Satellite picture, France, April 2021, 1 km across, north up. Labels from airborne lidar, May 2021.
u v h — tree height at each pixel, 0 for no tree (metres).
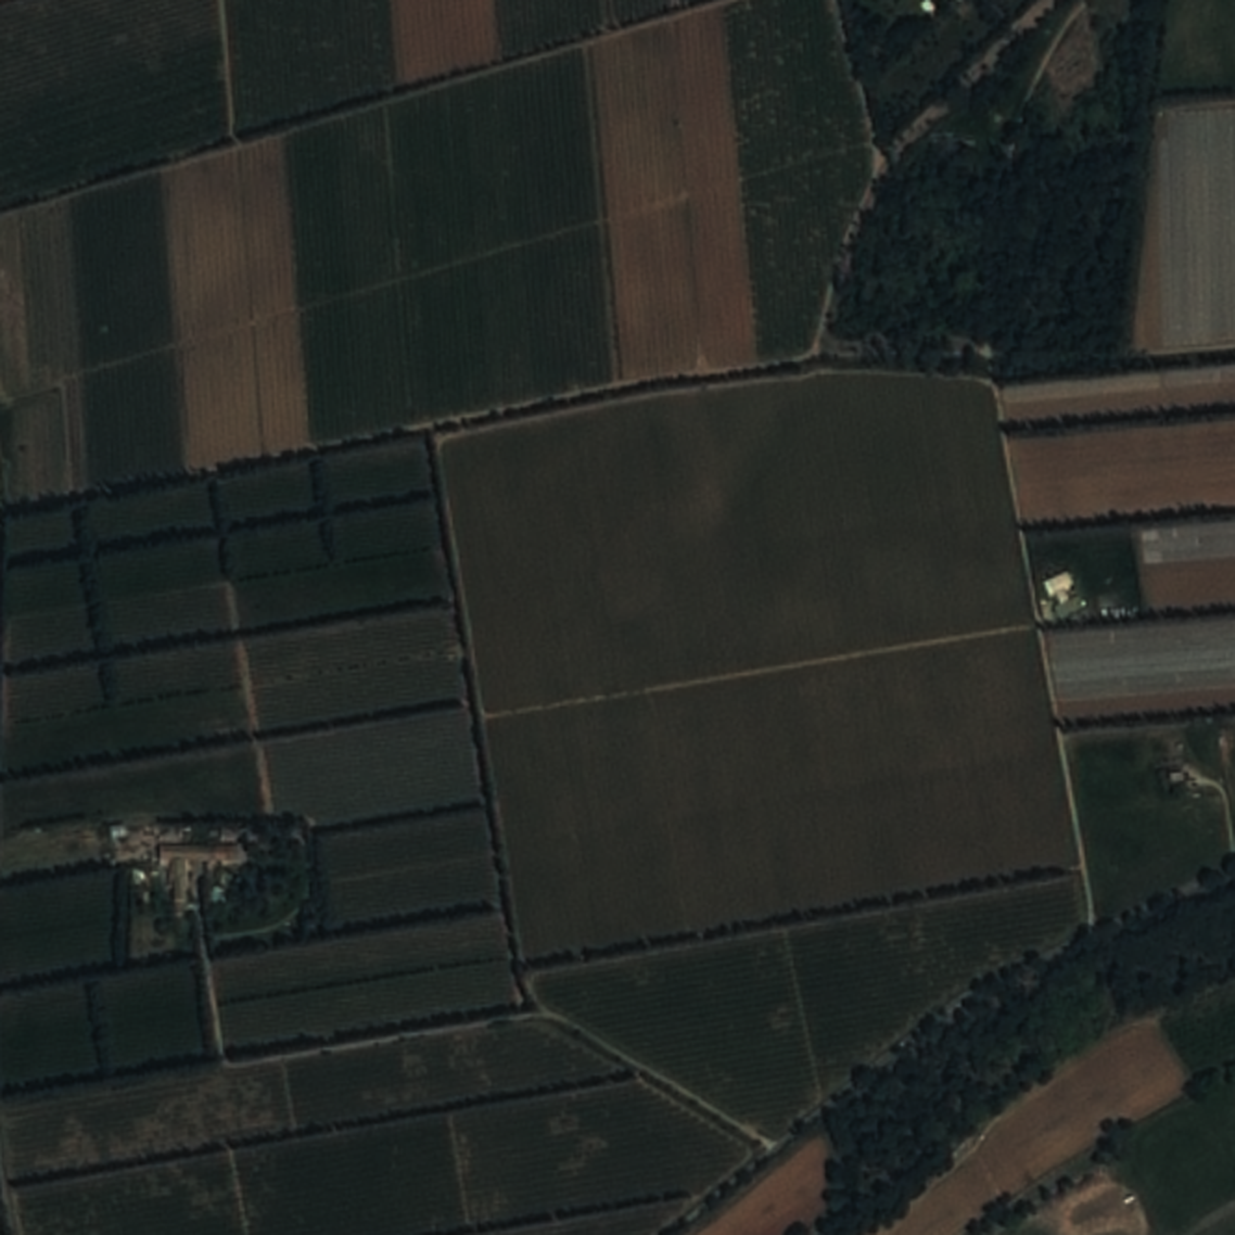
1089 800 0
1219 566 0
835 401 0
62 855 0
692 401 0
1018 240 17
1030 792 0
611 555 0
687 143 0
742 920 0
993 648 0
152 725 0
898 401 0
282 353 0
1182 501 0
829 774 0
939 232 19
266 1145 13
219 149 11
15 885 12
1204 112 0
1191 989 14
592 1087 11
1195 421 9
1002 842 0
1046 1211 0
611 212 0
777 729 0
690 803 0
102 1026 11
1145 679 0
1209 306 0
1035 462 0
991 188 14
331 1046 9
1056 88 0
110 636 11
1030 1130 0
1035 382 13
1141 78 12
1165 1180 0
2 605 17
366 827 11
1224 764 0
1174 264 0
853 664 0
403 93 10
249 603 0
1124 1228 0
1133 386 0
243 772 0
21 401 0
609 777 0
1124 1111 0
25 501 0
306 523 14
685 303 0
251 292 0
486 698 0
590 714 0
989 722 0
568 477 0
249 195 0
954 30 0
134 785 0
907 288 17
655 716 0
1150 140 12
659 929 0
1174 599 0
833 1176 13
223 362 0
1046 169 14
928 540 0
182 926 9
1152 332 0
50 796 0
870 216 10
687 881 0
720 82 0
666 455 0
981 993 14
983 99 11
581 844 0
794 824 0
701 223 0
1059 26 0
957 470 0
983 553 0
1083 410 0
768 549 0
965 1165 0
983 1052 13
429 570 0
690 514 0
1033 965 13
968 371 12
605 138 0
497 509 0
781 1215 0
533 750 0
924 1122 16
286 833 17
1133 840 0
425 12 0
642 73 0
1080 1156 0
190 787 0
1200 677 0
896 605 0
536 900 0
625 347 0
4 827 0
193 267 0
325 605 0
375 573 0
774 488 0
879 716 0
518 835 0
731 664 0
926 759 0
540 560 0
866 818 0
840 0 15
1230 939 13
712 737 0
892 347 8
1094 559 0
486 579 0
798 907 0
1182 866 0
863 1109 14
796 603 0
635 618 0
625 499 0
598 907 0
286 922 0
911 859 0
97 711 7
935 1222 0
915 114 9
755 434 0
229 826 15
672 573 0
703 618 0
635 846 0
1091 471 0
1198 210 0
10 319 0
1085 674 0
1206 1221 0
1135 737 0
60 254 0
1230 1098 0
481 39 0
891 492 0
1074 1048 12
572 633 0
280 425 0
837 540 0
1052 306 11
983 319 12
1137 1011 17
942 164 6
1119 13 0
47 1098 7
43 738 0
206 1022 12
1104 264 11
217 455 0
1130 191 18
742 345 0
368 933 15
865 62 17
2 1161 0
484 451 0
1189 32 0
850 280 7
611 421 0
